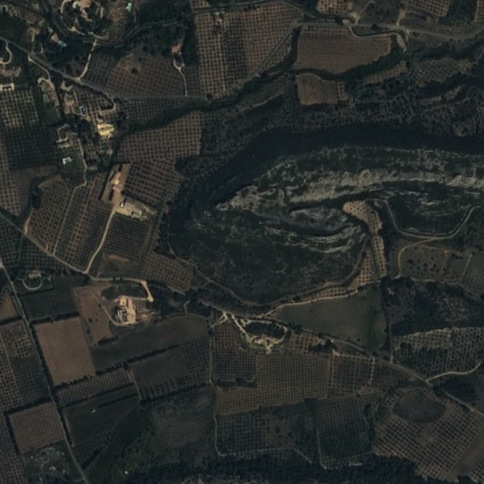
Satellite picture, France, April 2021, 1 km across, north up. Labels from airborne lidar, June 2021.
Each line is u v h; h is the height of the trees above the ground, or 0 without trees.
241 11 7
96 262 0
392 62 10
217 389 0
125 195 9
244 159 0
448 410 0
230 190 0
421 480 14
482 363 6
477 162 0
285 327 12
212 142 6
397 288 13
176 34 10
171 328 0
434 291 7
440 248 0
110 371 13
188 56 21
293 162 0
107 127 0
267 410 6
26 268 6
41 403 11
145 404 16
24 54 14
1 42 12
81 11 13
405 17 0
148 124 0
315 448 8
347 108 0
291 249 0
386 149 0
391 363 0
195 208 0
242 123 0
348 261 0
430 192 0
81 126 11
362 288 12
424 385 8
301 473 9
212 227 0
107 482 13
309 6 10
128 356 0
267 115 0
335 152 0
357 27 0
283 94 0
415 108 6
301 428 5
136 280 0
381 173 0
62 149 8
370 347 0
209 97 12
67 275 13
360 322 0
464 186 0
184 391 9
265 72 6
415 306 6
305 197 0
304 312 0
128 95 0
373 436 14
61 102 12
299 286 0
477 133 7
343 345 0
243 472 7
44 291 6
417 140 0
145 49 13
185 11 10
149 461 6
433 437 0
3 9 0
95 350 0
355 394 0
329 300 0
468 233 7
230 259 0
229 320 0
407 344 8
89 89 6
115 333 0
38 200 18
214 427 7
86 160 10
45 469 0
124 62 0
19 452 16
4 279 8
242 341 0
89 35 7
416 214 0
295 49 7
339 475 11
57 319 9
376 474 11
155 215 0
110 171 7
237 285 0
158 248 10
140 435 6
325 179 0
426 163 0
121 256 0
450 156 0
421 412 0
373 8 6
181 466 11
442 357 6
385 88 15
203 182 0
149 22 9
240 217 0
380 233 6
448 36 0
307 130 0
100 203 0
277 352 0
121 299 0
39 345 10
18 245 8
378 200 0
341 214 0
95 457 12
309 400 11
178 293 11
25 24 10
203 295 10
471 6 6
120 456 12
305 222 0
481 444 0
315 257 0
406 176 0
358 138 0
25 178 0
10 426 15
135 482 10
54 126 11
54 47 14
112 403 7
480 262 0
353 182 0
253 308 6
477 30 0
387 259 6
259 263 0
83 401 8
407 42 0
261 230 0
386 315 6
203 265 0
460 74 8
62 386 11
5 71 0
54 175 6
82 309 0
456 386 8
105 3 12
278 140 0
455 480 0
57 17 9
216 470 12
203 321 0
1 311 0
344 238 0
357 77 9
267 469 11
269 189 0
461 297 8
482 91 0
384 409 10
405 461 11
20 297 15
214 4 16
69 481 13
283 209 0
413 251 0
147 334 0
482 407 0
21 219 7
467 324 0
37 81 8
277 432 9
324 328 0
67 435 6
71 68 9
